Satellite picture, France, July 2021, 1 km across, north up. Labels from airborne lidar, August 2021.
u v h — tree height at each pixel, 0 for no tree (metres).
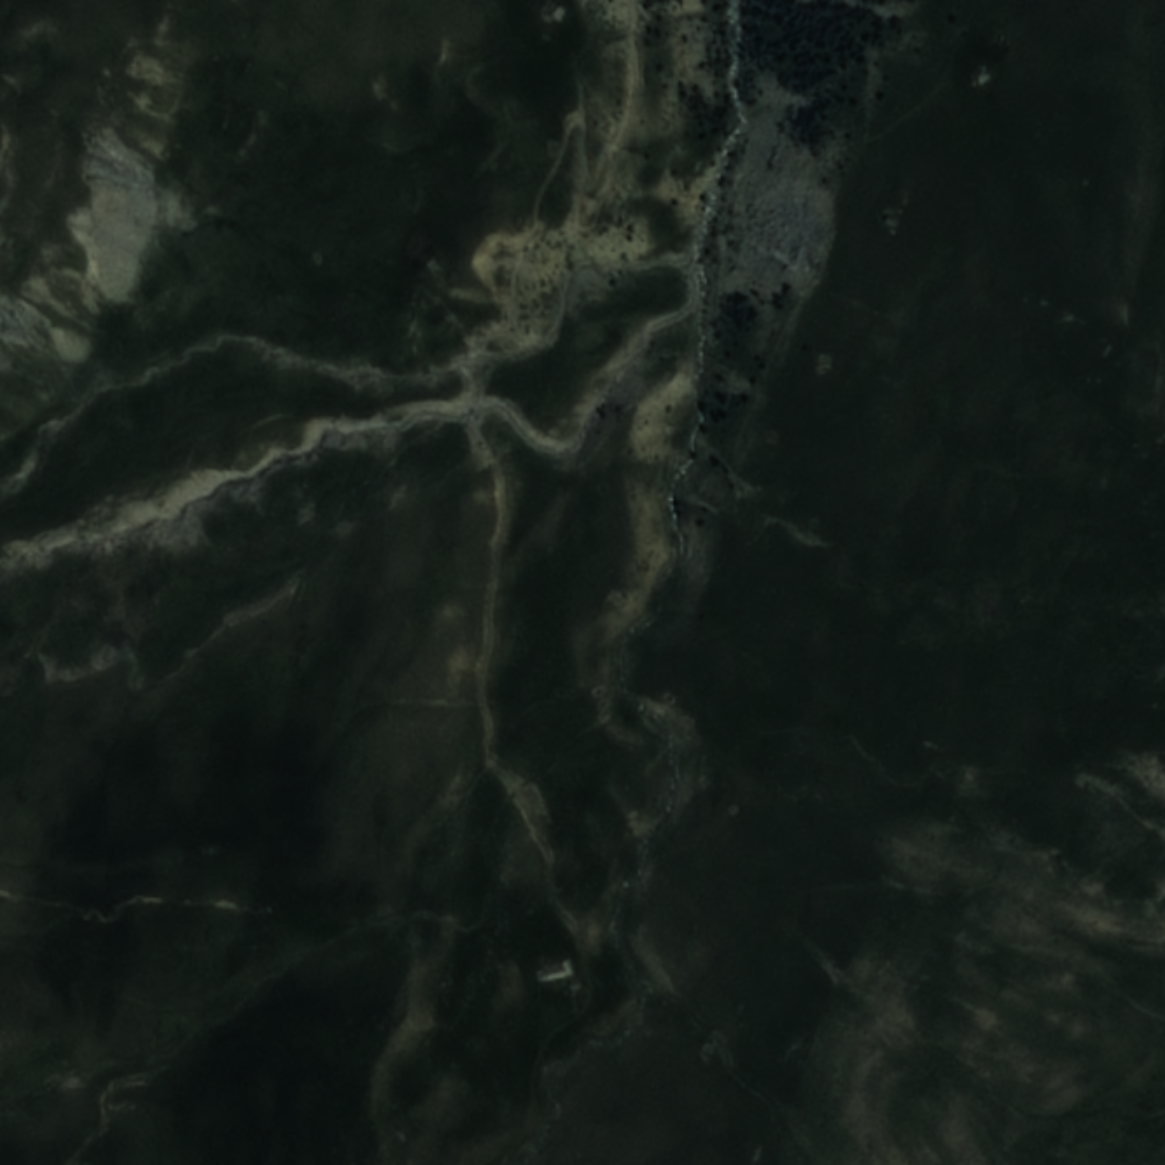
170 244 0
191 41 0
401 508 0
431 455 0
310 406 0
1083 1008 0
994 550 0
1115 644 0
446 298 0
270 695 0
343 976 0
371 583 0
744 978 0
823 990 0
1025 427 0
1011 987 0
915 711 0
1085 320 0
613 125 0
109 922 0
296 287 0
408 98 0
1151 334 0
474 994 0
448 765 0
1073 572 0
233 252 0
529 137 0
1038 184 0
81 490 0
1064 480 0
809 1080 0
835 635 0
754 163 0
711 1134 0
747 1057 0
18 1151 0
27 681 0
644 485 0
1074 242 0
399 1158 0
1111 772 0
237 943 0
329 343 0
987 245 0
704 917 0
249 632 0
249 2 0
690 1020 0
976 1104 0
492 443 0
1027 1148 0
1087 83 0
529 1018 0
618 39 0
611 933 0
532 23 0
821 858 0
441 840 0
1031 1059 0
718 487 0
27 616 0
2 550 0
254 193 0
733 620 0
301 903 0
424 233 0
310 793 0
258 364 0
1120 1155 0
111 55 0
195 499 0
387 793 0
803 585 0
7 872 0
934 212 0
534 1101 0
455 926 0
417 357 0
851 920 0
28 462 0
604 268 0
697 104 9
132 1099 0
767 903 0
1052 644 0
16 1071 0
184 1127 0
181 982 0
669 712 0
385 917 0
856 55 9
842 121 0
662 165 0
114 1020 0
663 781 0
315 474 0
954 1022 0
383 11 0
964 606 0
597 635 0
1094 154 0
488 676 0
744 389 0
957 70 0
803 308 0
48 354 0
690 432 0
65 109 0
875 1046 0
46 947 0
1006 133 0
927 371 0
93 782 0
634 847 0
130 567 0
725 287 0
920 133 0
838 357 0
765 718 0
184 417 0
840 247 0
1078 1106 0
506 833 0
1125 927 0
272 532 0
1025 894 0
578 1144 0
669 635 0
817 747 0
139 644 0
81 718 0
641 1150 0
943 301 0
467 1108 0
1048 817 0
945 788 0
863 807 0
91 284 0
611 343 0
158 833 0
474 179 0
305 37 0
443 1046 0
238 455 0
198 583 0
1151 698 0
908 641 0
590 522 0
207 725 0
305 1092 0
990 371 0
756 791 0
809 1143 0
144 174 0
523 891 0
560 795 0
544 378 0
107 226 0
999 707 0
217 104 0
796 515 0
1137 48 0
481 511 0
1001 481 0
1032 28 0
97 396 0
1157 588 0
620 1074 0
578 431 0
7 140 0
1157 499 0
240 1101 0
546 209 0
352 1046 0
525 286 0
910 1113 0
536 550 0
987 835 0
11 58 0
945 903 0
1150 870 0
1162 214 0
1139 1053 0
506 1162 0
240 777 0
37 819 0
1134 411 0
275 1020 0
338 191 0
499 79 0
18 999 0
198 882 0
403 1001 0
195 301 0
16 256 0
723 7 9
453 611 0
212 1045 0
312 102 0
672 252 0
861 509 0
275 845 0
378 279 0
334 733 0
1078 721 0
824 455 0
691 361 0
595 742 0
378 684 0
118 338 0
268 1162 0
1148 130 0
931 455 0
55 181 0
